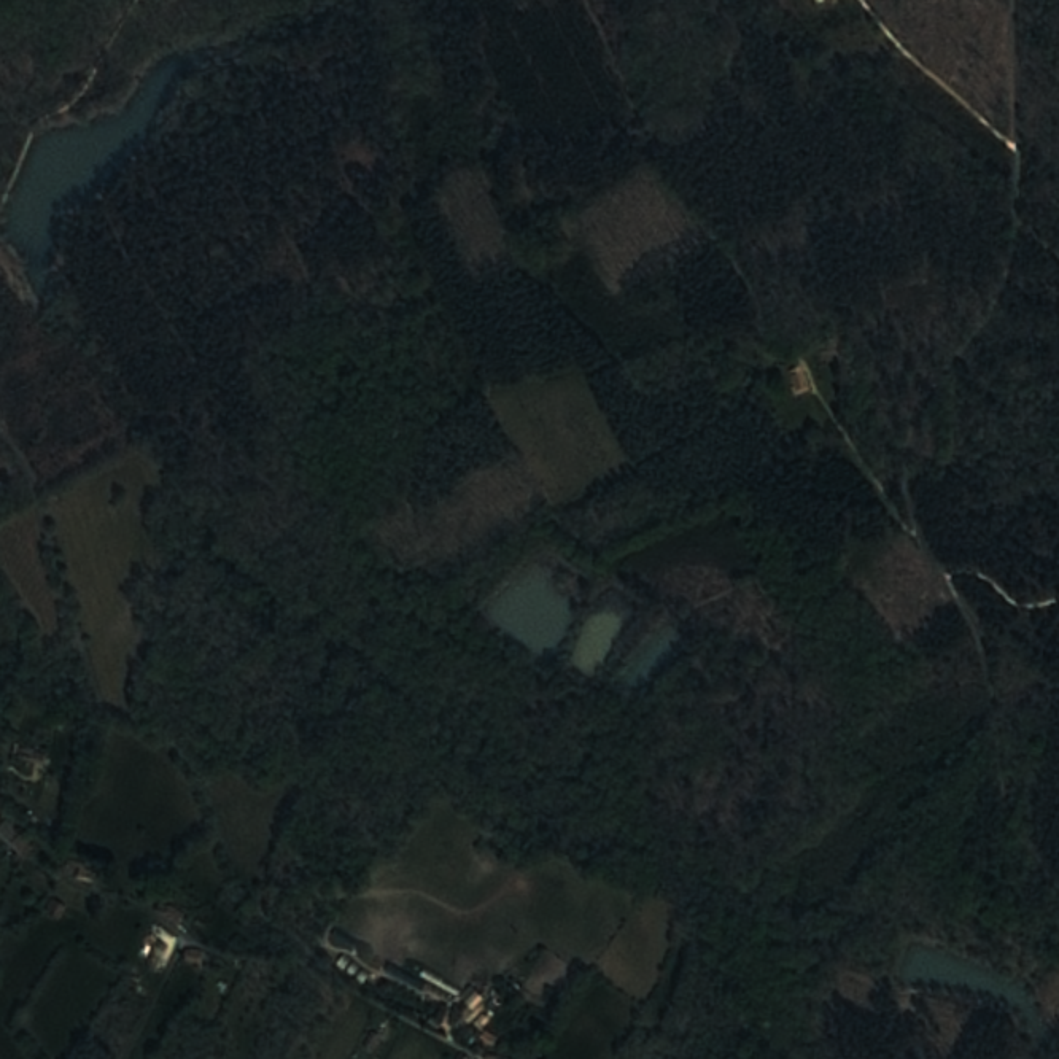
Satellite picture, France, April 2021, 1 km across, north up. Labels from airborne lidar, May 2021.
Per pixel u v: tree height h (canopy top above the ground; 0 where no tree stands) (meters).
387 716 15
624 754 20
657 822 16
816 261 16
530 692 20
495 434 17
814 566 19
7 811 15
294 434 25
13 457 13
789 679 12
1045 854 21
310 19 8
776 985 21
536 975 0
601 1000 0
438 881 0
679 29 19
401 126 11
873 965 15
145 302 17
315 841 26
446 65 23
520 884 0
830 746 16
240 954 9
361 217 25
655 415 16
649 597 20
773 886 25
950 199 19
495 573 20
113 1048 7
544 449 0
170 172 24
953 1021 8
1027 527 13
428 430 17
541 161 22
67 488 14
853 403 19
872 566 0
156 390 20
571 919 0
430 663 23
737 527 10
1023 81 10
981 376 19
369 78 21
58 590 19
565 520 14
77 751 8
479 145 8
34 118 15
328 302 16
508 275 19
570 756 17
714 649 15
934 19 0
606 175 25
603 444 0
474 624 19
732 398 7
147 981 0
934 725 9
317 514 15
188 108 13
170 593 18
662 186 21
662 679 15
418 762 24
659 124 20
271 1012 10
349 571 15
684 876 20
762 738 21
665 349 13
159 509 22
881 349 22
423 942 0
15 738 19
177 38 18
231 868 16
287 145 21
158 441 22
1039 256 17
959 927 19
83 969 0
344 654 21
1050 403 9
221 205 22
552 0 21
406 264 20
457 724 23
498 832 21
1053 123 18
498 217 26
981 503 16
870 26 10
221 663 19
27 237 0
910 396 24
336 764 25
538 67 12
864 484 13
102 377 8
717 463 16
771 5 16
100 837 0
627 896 15
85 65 17
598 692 16
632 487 17
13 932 12
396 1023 11
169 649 24
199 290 21
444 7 22
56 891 11
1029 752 12
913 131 17
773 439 14
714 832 22
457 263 6
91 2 16
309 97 12
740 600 13
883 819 9
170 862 6
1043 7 12
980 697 6
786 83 22
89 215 27
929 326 15
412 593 23
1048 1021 9
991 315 16
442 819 0
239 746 16
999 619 15
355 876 14
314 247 21
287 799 0
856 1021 19
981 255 19
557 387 0
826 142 27
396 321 20
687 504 14
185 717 21
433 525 20
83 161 0
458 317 20
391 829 16
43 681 20
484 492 21
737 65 13
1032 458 16
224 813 0
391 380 18
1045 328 13
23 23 18
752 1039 27
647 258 24
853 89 23
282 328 17
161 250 18
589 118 11
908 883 21
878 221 14
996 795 25
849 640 18
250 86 21
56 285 12
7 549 0
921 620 0
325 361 25
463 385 15
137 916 0
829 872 8
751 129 26
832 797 16
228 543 22
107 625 0
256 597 21
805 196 25
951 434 19
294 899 25
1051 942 15
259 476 11
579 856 21
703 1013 16
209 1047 7
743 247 16
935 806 19
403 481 19
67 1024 0
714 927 27
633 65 14
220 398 20
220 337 23
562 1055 0
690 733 12
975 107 18
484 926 0
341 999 11
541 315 20
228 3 23
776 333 19
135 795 0
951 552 13
